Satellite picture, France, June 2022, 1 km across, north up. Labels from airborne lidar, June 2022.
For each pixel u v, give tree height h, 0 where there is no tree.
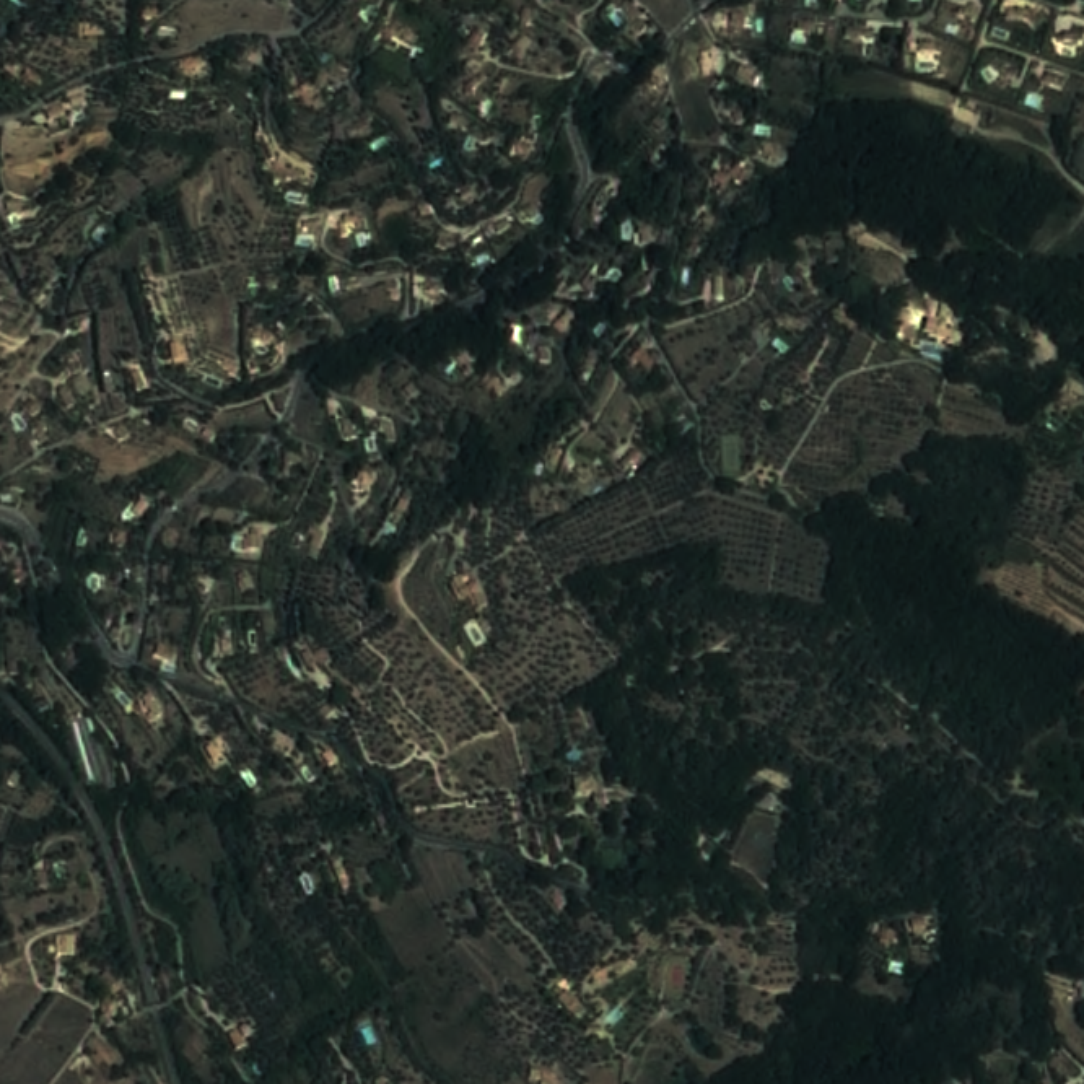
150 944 5
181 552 6
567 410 6
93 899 0
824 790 6
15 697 20
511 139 13
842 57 8
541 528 13
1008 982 14
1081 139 9
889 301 12
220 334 0
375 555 23
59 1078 0
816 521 16
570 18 0
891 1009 19
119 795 15
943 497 10
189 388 6
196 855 0
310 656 0
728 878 12
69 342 7
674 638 16
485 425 10
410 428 7
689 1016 11
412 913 0
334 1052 9
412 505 6
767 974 7
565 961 7
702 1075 10
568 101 10
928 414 8
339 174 13
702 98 0
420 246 8
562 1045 7
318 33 6
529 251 21
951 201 22
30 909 0
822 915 13
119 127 13
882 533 20
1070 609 0
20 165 0
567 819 10
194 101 6
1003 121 0
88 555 9
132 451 0
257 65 7
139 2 14
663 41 13
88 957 6
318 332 13
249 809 9
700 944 14
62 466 13
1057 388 17
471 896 9
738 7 9
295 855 14
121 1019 7
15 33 18
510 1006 7
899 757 14
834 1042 19
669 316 15
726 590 9
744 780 14
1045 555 6
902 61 9
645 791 17
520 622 6
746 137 8
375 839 6
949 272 19
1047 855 14
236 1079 10
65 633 13
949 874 15
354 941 7
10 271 9
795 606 13
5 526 7
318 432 0
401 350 15
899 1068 22
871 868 15
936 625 18
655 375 10
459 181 7
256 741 10
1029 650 20
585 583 12
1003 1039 14
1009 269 21
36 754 16
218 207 11
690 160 6
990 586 12
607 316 9
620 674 15
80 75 9
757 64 15
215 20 0
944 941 18
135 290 7
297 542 0
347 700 15
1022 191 18
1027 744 12
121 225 15
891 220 19
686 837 16
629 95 13
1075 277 16
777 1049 17
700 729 7
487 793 5
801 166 19
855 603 12
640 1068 0
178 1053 6
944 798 16
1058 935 9
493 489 17
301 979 7
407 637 6
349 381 13
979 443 17
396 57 0
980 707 15
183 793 16
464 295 9
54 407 8
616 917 12
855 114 25
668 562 13
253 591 10
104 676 13
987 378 21
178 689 11
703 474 6
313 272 18
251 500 0
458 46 10
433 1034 0
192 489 0
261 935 9
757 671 9
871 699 11
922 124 21
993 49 6
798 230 15
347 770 6
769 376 7
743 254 16
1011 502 8
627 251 16
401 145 8
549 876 15
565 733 6
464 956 0
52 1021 0
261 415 0
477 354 14
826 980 11
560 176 8
